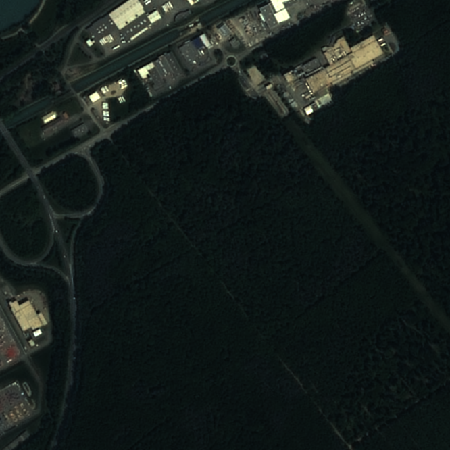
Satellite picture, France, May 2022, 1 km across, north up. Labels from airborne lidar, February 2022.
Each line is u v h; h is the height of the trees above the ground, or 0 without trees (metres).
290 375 19
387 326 28
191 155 29
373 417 28
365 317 17
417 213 28
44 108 0
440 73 23
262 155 30
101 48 0
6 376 0
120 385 23
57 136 0
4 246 0
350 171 30
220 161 34
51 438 13
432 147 28
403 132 27
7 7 0
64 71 0
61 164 14
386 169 30
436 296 22
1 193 0
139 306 28
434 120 28
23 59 0
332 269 26
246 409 23
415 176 30
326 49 0
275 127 33
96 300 22
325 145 17
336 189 0
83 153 0
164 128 21
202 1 0
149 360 30
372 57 0
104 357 27
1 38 0
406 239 24
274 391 22
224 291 23
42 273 16
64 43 7
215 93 20
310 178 25
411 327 0
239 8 11
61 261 10
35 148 0
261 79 0
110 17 0
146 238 22
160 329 26
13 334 0
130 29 0
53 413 17
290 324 0
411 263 25
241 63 10
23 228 0
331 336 17
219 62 0
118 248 23
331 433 22
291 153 24
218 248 24
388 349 32
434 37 23
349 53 0
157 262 22
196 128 27
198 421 26
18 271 17
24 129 0
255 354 25
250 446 28
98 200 0
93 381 27
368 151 28
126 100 0
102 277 23
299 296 26
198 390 26
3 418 0
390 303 17
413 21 18
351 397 30
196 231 26
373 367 31
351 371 17
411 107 22
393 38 0
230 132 31
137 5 0
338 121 21
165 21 0
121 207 24
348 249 26
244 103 27
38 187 0
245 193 28
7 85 17
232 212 26
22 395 0
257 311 24
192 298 30
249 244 24
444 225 29
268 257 25
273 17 0
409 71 24
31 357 0
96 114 0
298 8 0
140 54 0
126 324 30
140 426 0
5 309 0
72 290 0
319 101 0
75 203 16
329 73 0
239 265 24
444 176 36
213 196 31
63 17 24
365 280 16
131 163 27
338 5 18
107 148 22
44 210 0
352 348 18
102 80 0
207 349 0
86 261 22
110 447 20
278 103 0
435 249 30
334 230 25
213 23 0
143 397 20
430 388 23
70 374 0
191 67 0
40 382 0
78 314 13
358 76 0
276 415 25
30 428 0
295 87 0
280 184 26
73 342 0
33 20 0
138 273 22
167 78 0
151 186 21
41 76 18
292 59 20
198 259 25
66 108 0
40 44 0
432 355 29
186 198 24
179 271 24
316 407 19
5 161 19
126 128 17
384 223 24
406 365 31
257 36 0
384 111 19
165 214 19
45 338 0
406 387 30
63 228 0
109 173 21
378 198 30
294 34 19
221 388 21
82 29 0
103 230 27
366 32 17
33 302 0
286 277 26
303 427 21
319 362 20
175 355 28
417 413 14
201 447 27
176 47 0
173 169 23
